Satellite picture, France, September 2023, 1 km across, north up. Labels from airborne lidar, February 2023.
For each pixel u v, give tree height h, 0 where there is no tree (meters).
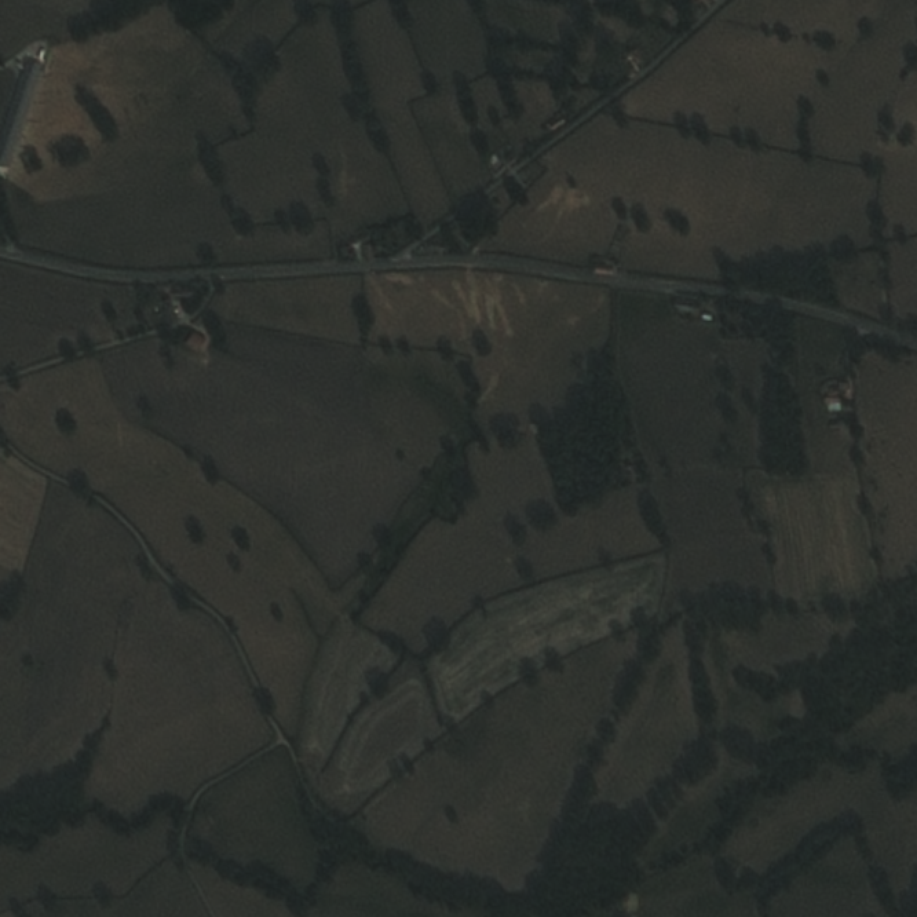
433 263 0
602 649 0
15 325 0
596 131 0
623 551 0
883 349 13
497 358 0
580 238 0
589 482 13
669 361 0
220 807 0
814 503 0
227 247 0
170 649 0
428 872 15
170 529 0
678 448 0
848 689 8
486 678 0
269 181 0
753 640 0
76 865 0
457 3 0
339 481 0
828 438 0
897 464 0
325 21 0
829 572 0
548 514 18
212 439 0
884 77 0
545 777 0
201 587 0
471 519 0
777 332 17
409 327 0
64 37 0
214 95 0
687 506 0
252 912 0
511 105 19
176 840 15
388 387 0
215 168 18
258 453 0
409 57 0
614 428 18
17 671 0
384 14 0
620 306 0
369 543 0
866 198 0
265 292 0
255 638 0
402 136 0
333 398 0
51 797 22
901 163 0
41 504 0
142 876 0
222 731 0
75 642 0
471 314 0
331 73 0
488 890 19
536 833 0
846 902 0
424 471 8
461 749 0
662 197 0
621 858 27
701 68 0
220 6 15
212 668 0
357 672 0
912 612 6
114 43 0
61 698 0
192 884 0
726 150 0
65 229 0
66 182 0
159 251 0
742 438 0
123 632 0
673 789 19
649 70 0
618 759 0
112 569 0
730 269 18
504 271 0
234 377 0
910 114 0
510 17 0
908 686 6
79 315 0
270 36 0
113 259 0
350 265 0
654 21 0
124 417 0
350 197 0
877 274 0
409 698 0
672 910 0
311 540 0
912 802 0
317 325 0
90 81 0
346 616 0
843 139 0
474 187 0
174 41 0
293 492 0
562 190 0
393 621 0
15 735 0
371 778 0
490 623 0
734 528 0
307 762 0
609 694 0
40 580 0
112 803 0
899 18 0
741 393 0
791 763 21
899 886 0
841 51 0
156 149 0
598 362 20
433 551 0
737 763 0
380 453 0
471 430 0
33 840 7
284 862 0
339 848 21
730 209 0
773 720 0
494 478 0
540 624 0
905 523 0
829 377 0
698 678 20
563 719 0
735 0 0
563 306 0
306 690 0
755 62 0
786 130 0
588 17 18
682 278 0
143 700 0
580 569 0
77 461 0
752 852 0
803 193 0
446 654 0
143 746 0
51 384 0
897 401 0
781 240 0
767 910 11
